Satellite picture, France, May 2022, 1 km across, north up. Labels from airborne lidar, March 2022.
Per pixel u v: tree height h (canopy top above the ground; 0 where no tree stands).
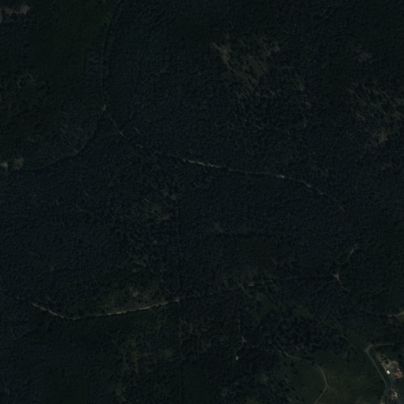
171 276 21
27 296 22
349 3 21
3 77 22
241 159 25
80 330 15
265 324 19
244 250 19
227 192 19
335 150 21
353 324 24
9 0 18
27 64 15
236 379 25
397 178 21
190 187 8
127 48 8
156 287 0
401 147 24
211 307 18
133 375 7
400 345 14
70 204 28
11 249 25
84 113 19
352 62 19
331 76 25
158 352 8
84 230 25
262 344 9
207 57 16
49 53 18
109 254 24
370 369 0
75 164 26
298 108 22
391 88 23
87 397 9
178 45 15
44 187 23
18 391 24
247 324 10
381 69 23
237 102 21
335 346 18
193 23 13
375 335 21
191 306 18
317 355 0
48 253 26
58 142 27
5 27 23
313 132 27
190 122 21
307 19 22
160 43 7
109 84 23
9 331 23
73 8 19
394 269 12
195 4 16
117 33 17
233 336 9
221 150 28
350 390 0
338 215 22
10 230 29
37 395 21
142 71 7
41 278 19
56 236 29
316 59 12
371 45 20
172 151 28
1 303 27
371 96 10
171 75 14
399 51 21
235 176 18
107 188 20
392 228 19
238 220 31
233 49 20
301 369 0
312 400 0
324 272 15
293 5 20
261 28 22
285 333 8
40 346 19
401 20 24
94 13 19
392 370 0
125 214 9
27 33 20
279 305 25
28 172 19
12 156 14
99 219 6
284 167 26
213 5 21
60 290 23
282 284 27
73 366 18
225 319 23
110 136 27
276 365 14
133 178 9
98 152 23
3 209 27
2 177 18
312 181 30
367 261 16
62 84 18
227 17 19
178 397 8
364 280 12
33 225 26
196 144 28
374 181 20
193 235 17
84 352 16
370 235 21
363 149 20
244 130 24
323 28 26
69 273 29
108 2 20
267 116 25
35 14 17
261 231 24
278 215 27
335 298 22
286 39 19
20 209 19
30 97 19
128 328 8
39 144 27
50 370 17
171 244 29
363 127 27
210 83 26
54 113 18
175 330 8
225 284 20
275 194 18
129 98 9
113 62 18
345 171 29
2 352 23
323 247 25
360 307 15
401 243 21
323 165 19
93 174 23
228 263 21
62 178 25
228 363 9
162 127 23
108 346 16
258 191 18
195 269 21
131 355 10
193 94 21
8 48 23
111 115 13
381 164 21
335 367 0
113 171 21
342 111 21
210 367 13
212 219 22
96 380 11
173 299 14
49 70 20
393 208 20
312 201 22
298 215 22
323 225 21
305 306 22
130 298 9
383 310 17
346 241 23
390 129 32
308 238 26
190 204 19
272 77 23
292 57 21
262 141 22
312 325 29
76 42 18
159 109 20
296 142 33
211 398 16
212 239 21
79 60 25
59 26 14
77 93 20
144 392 13
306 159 26
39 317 13
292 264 0
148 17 8
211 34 18
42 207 25
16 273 19
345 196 21
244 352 13
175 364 10
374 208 25
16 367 24
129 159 30
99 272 26
